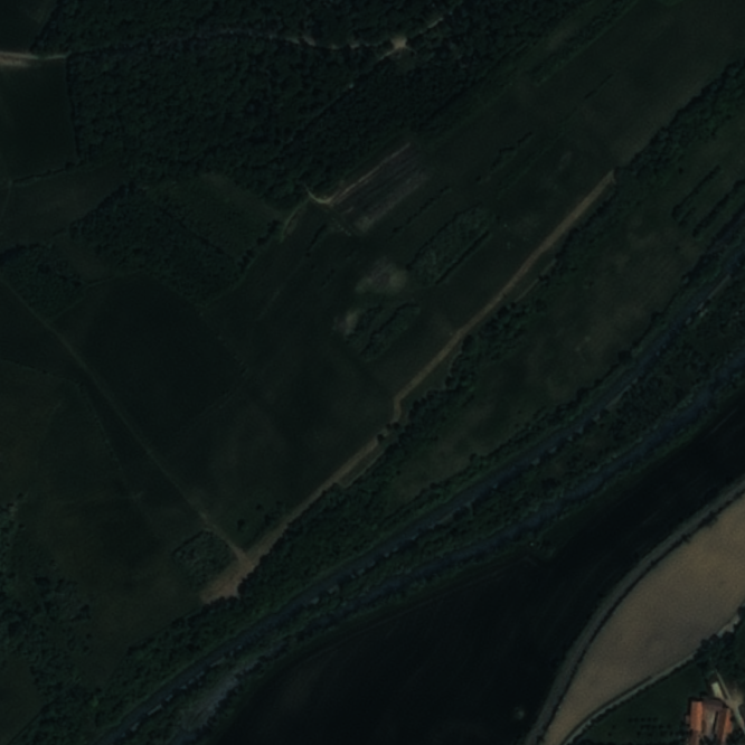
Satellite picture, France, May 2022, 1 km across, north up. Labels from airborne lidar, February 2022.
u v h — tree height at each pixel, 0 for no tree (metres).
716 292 0
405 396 0
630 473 8
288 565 17
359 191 0
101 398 0
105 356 0
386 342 8
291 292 0
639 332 0
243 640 0
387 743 0
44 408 0
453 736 0
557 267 7
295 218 0
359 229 0
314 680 0
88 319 0
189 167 21
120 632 0
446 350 0
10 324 0
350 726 0
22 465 0
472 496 0
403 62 0
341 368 0
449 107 21
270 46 27
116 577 0
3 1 0
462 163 0
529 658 0
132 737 18
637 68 0
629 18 0
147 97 20
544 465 12
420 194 0
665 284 0
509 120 0
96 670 0
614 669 0
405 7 26
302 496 0
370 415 0
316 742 0
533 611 0
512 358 0
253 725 0
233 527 0
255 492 0
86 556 0
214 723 11
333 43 25
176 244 24
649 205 0
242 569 0
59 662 7
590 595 0
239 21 23
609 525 0
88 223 11
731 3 0
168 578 0
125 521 0
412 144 0
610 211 14
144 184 17
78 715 20
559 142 0
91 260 0
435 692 0
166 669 16
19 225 0
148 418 0
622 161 0
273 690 0
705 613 0
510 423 0
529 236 0
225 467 0
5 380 0
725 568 0
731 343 0
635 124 0
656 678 0
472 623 0
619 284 0
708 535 0
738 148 0
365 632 0
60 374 0
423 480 0
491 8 26
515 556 0
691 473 0
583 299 0
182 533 0
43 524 0
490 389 0
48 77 0
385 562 16
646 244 0
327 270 0
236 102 24
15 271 20
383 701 0
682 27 0
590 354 0
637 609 0
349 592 6
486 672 0
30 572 0
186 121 21
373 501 14
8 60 0
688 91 0
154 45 24
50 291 23
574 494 0
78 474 0
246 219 0
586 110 0
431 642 0
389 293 0
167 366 0
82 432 0
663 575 0
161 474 0
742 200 0
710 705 0
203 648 22
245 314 0
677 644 0
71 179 0
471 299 0
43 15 0
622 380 0
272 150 22
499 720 0
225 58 23
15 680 0
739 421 0
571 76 0
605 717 8
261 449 0
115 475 0
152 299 0
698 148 0
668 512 0
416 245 0
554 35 0
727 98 21
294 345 0
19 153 0
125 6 20
